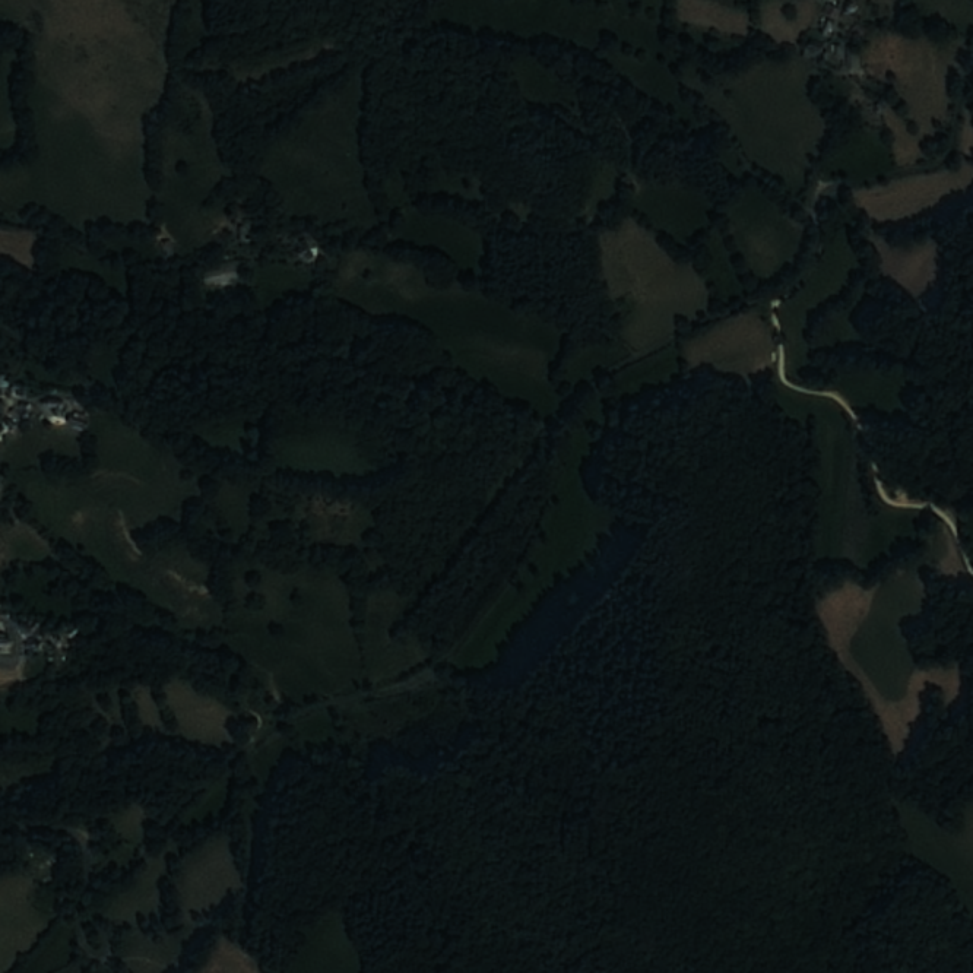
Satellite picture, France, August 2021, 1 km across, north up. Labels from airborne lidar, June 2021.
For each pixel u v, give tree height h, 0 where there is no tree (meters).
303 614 0
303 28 12
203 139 0
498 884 19
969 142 0
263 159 16
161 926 20
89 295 24
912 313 29
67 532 0
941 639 29
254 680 7
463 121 22
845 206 19
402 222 16
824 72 7
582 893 22
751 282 22
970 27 0
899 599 0
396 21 18
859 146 0
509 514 21
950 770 21
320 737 0
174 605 0
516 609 0
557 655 39
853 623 0
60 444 0
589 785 22
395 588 24
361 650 9
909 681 0
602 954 25
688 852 24
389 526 25
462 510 30
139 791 21
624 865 22
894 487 18
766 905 29
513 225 22
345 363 32
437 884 30
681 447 34
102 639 22
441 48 27
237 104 16
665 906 24
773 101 0
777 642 25
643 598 33
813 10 0
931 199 0
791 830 25
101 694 9
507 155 27
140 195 0
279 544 14
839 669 25
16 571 19
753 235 0
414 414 31
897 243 19
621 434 24
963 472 18
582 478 0
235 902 19
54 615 10
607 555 0
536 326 0
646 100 22
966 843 0
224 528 9
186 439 25
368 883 22
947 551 0
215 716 0
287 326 31
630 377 0
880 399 0
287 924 27
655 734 23
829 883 28
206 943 21
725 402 25
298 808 22
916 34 20
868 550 0
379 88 26
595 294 22
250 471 18
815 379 22
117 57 0
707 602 29
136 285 28
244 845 22
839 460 0
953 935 27
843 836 21
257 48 11
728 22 0
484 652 0
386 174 23
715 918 27
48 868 0
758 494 25
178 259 11
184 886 0
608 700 32
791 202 15
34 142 21
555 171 25
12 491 10
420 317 0
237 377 28
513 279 30
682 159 21
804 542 23
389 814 32
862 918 32
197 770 21
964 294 16
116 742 21
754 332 0
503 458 16
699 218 0
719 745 30
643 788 17
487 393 23
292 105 9
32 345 20
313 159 0
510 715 25
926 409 22
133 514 0
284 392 27
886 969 28
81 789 22
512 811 24
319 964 0
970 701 22
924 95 0
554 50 27
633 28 0
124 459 0
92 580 26
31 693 22
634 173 18
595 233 18
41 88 0
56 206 0
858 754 27
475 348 0
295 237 9
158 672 22
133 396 18
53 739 23
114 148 0
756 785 29
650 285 0
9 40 29
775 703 28
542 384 0
